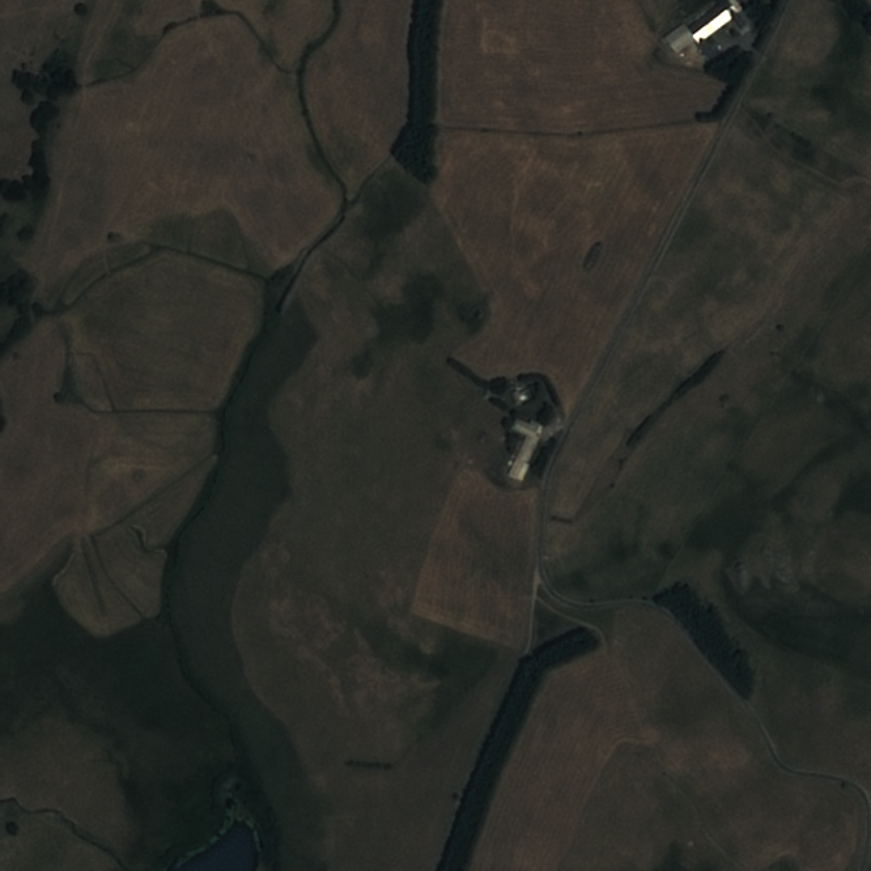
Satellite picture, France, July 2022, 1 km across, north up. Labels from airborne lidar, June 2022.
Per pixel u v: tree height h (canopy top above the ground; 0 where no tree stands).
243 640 0
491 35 0
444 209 0
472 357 0
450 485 0
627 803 0
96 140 0
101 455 0
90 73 0
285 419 0
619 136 0
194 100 0
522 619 0
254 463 0
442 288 0
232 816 0
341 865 0
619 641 0
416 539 0
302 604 0
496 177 0
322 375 0
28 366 0
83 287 0
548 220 0
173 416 0
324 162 0
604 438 0
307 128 0
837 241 0
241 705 0
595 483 0
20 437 0
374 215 0
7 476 0
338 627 0
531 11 0
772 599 0
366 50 0
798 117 0
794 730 0
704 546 0
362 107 0
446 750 0
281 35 0
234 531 0
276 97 0
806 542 0
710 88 0
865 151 0
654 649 0
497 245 0
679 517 0
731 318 0
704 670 0
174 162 0
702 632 17
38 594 0
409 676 0
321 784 0
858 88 0
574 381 0
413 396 0
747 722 0
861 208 0
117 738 0
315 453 0
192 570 0
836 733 0
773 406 0
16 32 0
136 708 0
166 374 0
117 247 0
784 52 0
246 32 0
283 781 0
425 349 0
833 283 0
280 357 0
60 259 0
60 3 0
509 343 0
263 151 0
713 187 0
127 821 0
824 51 0
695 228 0
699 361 0
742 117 0
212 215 0
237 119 0
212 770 0
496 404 13
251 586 0
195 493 0
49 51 0
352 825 0
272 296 0
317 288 0
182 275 0
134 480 0
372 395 0
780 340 0
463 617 0
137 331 0
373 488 0
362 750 0
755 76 0
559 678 0
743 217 0
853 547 0
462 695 0
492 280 0
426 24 19
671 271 0
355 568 0
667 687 0
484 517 0
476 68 0
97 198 0
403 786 0
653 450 0
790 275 0
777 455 0
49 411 0
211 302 0
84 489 0
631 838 0
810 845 0
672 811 0
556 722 0
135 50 0
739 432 0
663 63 0
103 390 0
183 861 0
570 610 0
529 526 0
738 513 0
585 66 0
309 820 0
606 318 0
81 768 0
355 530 0
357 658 0
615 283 0
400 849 0
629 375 0
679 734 0
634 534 0
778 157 0
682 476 0
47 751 0
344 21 0
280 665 0
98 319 0
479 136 0
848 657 0
